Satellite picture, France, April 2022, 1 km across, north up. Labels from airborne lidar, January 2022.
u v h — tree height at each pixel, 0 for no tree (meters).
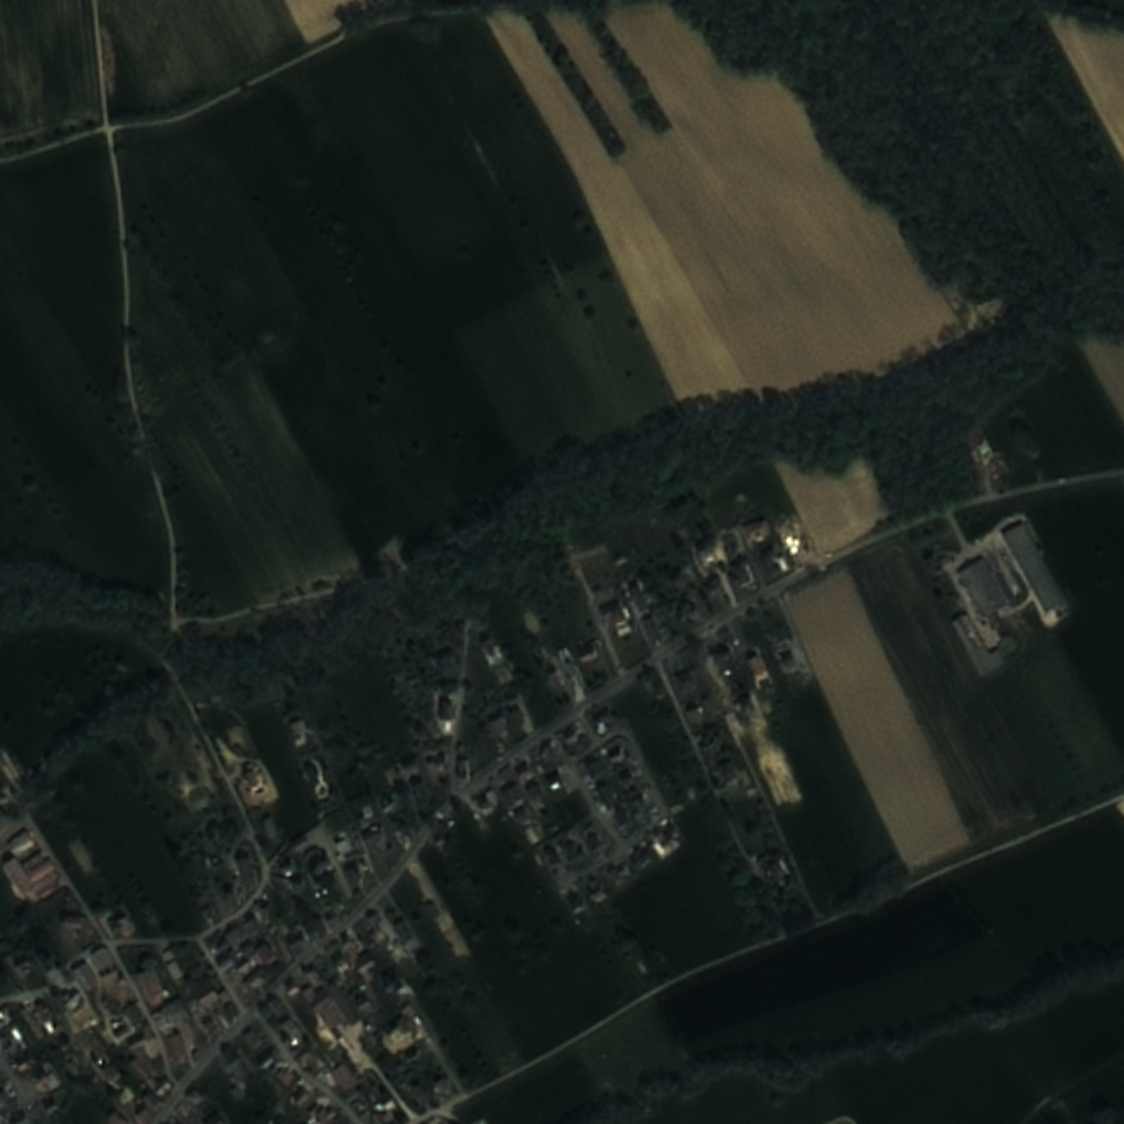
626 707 0
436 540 17
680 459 22
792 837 0
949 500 23
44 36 0
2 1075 0
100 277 0
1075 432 0
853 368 0
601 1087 0
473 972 0
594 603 0
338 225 10
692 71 0
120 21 0
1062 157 20
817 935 0
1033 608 0
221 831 7
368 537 0
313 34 0
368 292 0
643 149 0
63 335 0
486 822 0
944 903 0
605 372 0
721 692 0
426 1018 0
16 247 0
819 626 0
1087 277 29
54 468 0
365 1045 14
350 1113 0
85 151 0
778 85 0
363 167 0
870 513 0
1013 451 0
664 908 0
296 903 12
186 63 0
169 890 0
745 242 0
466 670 0
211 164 0
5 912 0
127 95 0
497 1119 0
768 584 0
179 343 0
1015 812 0
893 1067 0
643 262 0
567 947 0
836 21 31
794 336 0
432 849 0
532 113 0
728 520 0
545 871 0
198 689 22
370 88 0
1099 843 0
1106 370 0
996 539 0
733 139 0
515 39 0
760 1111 0
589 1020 0
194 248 0
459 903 0
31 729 0
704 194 0
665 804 0
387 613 29
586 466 33
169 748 0
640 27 0
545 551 12
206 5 0
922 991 0
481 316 0
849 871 0
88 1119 0
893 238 0
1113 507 0
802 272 0
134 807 0
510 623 0
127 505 0
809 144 0
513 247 0
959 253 30
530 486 24
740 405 22
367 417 0
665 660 0
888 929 0
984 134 30
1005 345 34
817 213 0
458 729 0
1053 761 0
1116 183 0
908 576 0
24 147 6
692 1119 0
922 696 0
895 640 0
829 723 0
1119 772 0
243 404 0
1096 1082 0
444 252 0
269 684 27
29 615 24
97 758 0
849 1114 0
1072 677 0
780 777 0
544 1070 0
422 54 0
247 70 0
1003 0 30
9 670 0
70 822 11
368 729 0
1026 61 32
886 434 35
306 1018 0
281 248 0
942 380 33
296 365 0
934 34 28
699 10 31
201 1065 0
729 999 0
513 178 0
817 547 0
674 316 0
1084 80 0
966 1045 0
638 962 0
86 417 0
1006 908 0
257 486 0
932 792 0
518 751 0
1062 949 0
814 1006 0
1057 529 0
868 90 35
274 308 0
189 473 0
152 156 0
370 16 21
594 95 12
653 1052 0
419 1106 10
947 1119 0
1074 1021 0
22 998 0
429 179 0
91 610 22
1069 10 16
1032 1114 0
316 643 30
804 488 0
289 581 0
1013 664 0
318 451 0
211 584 0
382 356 0
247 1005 0
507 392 0
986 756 0
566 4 12
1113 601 0
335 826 0
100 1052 10
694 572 0
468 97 0
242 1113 0
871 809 0
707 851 0
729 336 0
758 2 36
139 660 0
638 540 0
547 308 0
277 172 0
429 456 0
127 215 0
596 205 0
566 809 0
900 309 0
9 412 0
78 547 0
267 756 0
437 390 0
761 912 12
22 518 0
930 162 30
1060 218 32
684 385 0
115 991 0
